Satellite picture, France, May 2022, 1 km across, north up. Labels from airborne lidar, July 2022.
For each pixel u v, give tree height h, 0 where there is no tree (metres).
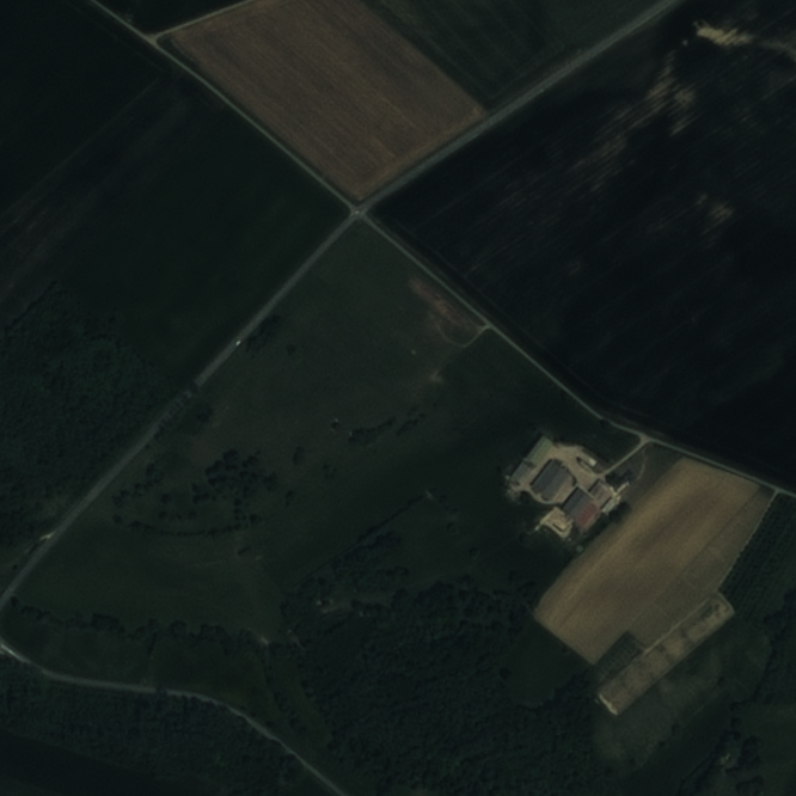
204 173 0
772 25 0
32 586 0
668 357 0
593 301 0
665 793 0
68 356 20
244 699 0
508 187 0
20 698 17
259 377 0
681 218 0
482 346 0
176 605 0
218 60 0
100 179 0
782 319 0
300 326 0
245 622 0
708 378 0
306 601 13
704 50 0
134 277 0
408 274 0
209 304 0
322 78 0
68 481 16
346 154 0
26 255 0
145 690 0
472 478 0
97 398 21
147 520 0
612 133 0
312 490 0
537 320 0
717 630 0
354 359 0
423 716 20
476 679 19
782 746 0
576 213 0
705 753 0
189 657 0
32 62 0
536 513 0
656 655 0
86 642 0
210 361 0
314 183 0
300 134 0
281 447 0
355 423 0
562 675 0
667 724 0
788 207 0
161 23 0
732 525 0
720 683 7
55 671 0
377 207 0
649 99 0
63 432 19
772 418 0
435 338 0
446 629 17
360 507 0
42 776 0
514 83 0
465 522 0
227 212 0
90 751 15
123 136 0
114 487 0
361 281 0
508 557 0
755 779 6
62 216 0
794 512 6
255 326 0
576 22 0
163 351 0
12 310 0
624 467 0
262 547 0
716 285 0
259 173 0
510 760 15
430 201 0
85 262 0
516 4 0
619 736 0
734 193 0
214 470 10
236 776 7
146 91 0
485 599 12
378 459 0
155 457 0
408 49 0
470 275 0
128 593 0
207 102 0
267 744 13
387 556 12
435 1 0
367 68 0
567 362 0
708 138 0
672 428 0
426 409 0
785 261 0
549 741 6
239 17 0
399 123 0
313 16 0
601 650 0
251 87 0
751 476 0
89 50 0
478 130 0
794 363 0
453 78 0
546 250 0
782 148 0
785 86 0
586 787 22
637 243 0
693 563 0
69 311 8
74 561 0
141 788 0
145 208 0
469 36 0
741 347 0
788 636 13
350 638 9
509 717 17
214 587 0
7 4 0
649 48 0
